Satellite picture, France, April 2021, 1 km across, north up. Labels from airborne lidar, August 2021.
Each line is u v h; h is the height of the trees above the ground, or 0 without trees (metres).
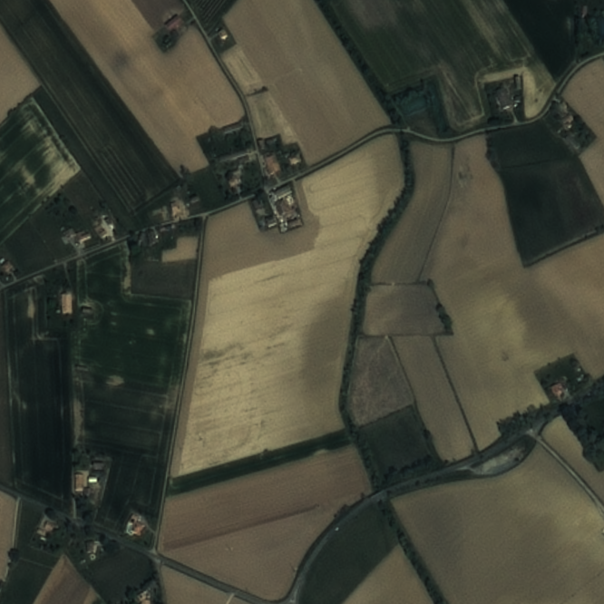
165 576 0
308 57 0
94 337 0
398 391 0
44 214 0
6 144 0
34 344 0
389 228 21
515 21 0
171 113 0
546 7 0
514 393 0
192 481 0
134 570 0
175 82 0
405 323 0
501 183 0
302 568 0
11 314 0
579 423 12
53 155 0
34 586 0
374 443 0
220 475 0
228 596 0
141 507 0
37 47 0
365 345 0
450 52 0
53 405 0
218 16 0
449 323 15
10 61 0
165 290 0
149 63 0
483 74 0
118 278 0
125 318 0
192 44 0
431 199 0
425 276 0
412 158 22
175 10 0
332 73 0
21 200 0
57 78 0
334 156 0
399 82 0
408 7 0
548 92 0
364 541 0
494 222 0
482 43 0
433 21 0
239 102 0
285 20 0
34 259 0
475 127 0
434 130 0
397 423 0
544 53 0
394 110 7
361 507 0
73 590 0
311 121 0
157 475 0
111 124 0
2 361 0
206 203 0
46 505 0
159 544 0
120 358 0
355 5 0
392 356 0
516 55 0
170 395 0
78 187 0
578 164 0
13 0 0
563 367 0
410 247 0
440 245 0
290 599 0
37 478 0
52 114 0
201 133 0
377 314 0
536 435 0
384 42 0
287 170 10
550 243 0
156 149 0
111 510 0
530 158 0
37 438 0
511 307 0
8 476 0
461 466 0
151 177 0
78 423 0
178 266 0
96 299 0
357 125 0
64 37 0
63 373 0
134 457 0
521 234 0
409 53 0
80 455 9
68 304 0
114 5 0
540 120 0
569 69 0
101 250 0
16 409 0
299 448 0
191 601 0
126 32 0
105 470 9
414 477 11
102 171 0
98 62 0
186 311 0
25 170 0
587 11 0
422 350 0
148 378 0
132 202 0
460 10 0
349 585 0
